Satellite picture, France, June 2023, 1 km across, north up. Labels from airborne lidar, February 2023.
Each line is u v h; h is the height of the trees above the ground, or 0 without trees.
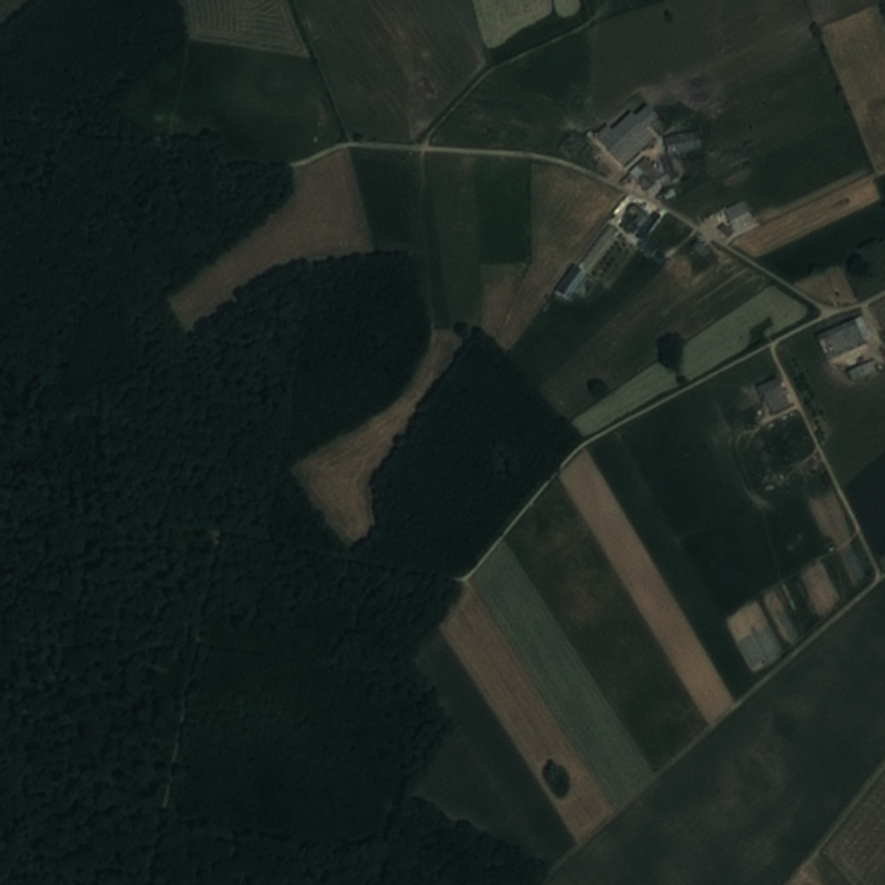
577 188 0
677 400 0
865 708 0
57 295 25
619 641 0
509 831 0
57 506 30
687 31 0
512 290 0
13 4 0
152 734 23
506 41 0
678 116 0
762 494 0
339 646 23
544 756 0
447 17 0
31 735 26
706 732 0
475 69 0
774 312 0
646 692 0
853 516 0
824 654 0
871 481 0
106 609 28
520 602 0
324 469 0
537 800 0
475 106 0
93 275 27
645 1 0
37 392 25
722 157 0
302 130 0
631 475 0
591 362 0
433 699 20
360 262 13
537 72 0
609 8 0
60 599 24
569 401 0
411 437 13
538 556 0
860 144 0
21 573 23
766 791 0
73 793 25
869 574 0
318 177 0
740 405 0
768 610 0
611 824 0
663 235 0
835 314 0
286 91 0
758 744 0
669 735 0
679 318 0
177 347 22
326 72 0
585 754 0
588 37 0
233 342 24
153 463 23
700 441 0
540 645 0
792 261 0
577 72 0
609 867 0
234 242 22
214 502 24
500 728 0
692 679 0
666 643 0
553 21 0
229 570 24
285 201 12
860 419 0
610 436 0
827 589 0
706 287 0
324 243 0
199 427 24
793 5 0
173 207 26
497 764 0
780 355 0
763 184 0
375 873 29
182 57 0
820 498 0
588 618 0
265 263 0
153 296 23
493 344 10
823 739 0
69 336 16
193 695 14
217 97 0
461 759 0
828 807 0
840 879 0
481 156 0
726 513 0
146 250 27
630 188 0
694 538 0
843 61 0
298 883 26
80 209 26
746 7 0
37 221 24
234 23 0
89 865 23
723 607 0
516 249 0
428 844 24
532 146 0
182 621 26
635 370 0
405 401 0
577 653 0
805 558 0
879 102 0
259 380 20
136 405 29
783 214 0
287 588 26
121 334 17
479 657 0
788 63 0
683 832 0
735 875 0
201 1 0
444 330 0
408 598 21
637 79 0
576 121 0
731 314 0
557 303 0
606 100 0
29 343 25
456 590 12
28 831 26
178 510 24
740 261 0
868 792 0
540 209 0
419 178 0
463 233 0
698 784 0
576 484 0
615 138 0
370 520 0
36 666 27
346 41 0
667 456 0
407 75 0
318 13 0
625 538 0
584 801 0
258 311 27
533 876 23
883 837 0
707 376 0
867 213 0
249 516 24
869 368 0
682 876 0
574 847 0
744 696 0
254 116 0
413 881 26
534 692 0
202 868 29
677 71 0
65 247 24
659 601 0
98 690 27
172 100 0
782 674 0
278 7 0
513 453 20
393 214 0
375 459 0
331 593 22
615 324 0
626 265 0
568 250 0
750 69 0
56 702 27
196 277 14
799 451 0
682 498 0
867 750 0
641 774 0
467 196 0
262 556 25
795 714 0
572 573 0
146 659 27
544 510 0
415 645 20
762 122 0
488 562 0
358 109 0
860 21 0
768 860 0
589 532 0
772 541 0
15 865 15
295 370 19
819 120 0
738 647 0
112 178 28
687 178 0
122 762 25
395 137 0
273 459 18
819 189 0
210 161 20
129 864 28
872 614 0
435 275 0
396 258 12
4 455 27
